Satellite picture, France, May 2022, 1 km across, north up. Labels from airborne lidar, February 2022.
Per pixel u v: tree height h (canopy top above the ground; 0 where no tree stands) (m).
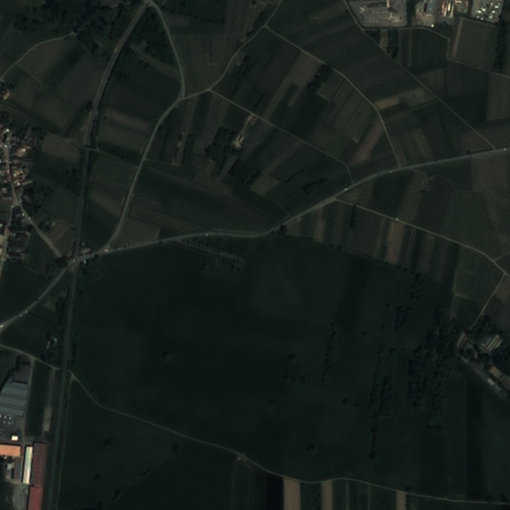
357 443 0
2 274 0
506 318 0
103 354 0
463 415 0
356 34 0
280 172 0
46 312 0
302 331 0
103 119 0
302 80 0
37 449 0
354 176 0
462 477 0
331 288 0
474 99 0
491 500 13
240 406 0
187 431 0
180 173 0
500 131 0
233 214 0
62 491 0
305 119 0
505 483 0
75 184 7
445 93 0
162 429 0
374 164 0
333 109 0
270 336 0
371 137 0
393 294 0
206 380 0
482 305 0
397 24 0
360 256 0
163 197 0
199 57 0
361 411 0
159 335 0
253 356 0
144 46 0
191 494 0
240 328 0
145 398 0
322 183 7
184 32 0
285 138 0
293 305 0
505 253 0
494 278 0
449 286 0
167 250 0
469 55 0
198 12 0
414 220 0
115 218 0
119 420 0
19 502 0
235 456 0
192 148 0
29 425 0
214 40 0
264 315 0
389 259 0
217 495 0
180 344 0
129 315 0
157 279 0
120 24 6
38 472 0
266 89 0
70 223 0
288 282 0
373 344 0
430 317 0
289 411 0
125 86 0
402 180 0
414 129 0
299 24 0
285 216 0
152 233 0
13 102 0
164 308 0
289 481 0
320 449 0
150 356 0
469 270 0
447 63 0
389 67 0
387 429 0
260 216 0
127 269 0
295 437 0
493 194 0
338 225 0
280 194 0
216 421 0
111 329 0
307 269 0
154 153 0
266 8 0
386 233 0
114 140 0
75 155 0
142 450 0
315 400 0
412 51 0
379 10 0
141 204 0
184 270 0
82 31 16
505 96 0
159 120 0
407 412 0
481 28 0
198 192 0
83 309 0
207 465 0
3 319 0
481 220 0
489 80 0
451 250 0
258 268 0
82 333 0
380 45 0
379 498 0
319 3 0
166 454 0
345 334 0
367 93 0
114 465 0
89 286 0
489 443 0
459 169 0
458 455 0
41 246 0
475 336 10
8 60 0
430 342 11
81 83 0
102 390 0
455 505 0
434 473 0
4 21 0
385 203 0
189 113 0
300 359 0
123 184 0
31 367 0
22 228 9
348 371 0
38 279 0
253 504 0
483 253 0
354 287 0
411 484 0
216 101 0
